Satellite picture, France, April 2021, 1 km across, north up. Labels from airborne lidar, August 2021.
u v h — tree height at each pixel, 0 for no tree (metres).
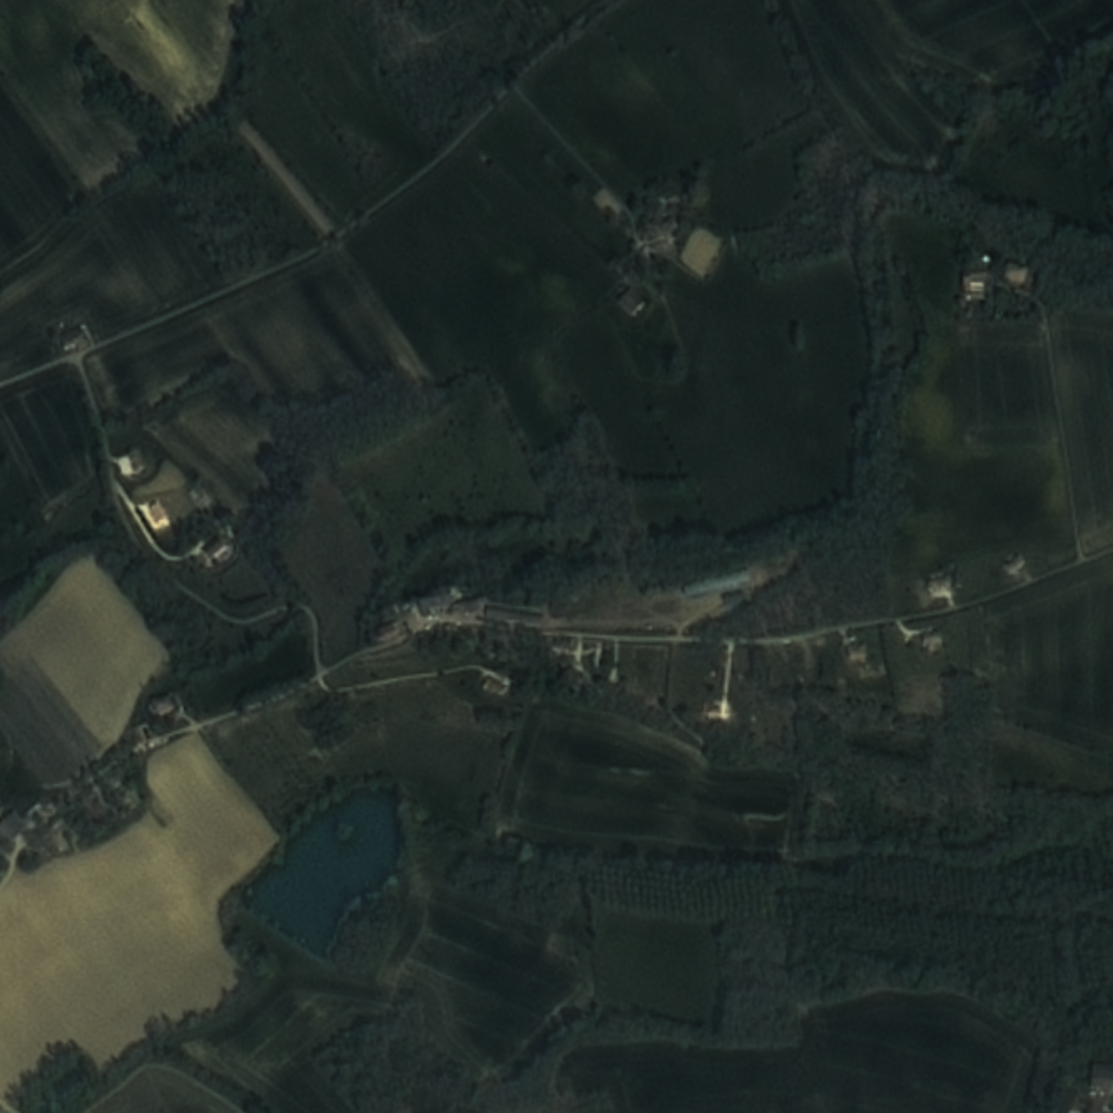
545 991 0
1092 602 0
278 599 13
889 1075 0
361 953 17
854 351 0
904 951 7
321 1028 0
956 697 18
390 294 0
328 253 8
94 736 0
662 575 13
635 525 13
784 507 0
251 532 17
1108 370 0
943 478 0
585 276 0
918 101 0
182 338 0
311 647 6
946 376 0
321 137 0
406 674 0
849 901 16
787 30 15
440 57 17
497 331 0
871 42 0
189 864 0
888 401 16
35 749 0
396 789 12
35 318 0
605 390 0
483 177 0
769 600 12
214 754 0
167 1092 0
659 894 28
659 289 10
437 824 6
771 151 0
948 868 24
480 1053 0
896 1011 0
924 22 0
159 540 8
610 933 0
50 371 0
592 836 0
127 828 15
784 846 0
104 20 0
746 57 0
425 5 12
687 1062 0
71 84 0
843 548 18
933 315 0
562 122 0
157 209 0
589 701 15
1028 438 0
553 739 0
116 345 0
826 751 18
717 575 14
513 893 11
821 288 0
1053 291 11
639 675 0
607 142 0
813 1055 0
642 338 0
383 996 0
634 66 0
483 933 0
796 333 10
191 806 0
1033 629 0
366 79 0
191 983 0
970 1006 0
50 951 0
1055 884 26
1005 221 15
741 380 0
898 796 18
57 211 0
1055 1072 12
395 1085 14
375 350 0
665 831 0
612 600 0
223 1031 0
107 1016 0
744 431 0
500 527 13
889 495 16
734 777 0
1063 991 23
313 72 0
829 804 8
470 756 0
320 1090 0
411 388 23
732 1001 20
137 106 21
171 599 13
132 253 0
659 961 0
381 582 13
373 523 15
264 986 0
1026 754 0
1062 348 0
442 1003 0
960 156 11
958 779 17
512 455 0
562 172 0
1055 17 0
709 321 0
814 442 0
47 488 0
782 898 11
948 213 14
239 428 0
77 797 8
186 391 7
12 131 0
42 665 0
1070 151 7
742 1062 0
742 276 0
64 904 0
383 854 0
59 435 0
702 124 0
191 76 0
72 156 0
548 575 27
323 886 0
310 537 0
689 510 0
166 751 0
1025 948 22
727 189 0
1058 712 0
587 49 0
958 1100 0
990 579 0
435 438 0
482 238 0
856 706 13
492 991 0
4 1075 0
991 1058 0
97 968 0
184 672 12
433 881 0
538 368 0
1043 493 0
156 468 0
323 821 0
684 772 0
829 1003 15
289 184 0
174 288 0
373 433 21
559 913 16
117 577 13
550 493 13
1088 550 0
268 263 21
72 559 22
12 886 0
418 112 16
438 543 18
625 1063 0
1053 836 27
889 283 9
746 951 12
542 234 0
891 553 12
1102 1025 21
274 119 0
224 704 0
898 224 0
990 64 0
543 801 0
